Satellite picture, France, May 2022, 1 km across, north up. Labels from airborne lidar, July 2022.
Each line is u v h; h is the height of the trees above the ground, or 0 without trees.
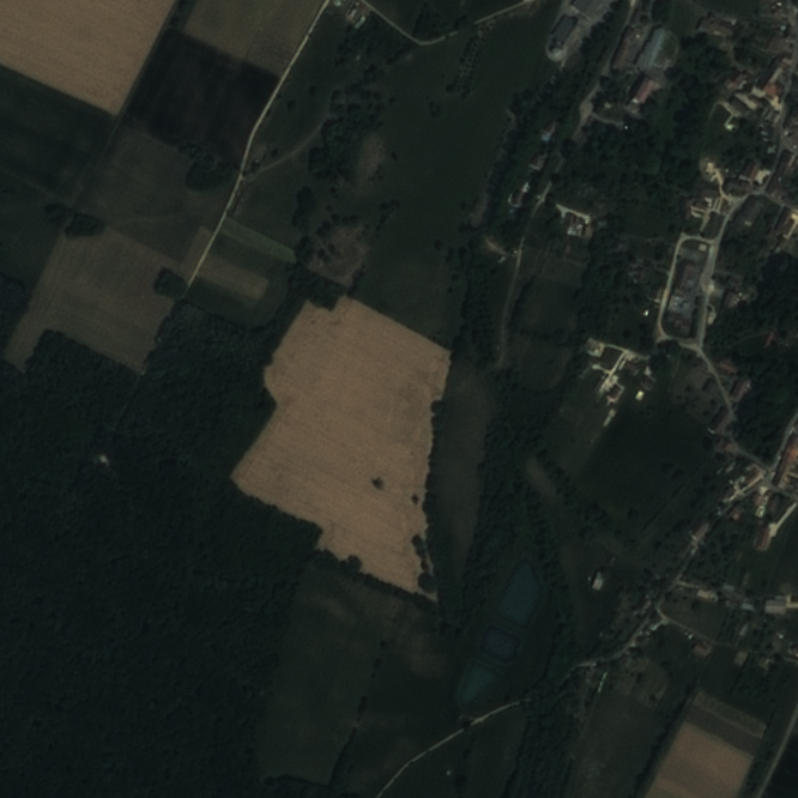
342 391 0
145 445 20
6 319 16
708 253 0
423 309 0
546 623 0
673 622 0
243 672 22
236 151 0
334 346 0
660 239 0
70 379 19
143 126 0
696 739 0
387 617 0
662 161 24
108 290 0
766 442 12
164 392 17
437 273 0
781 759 0
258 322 0
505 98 0
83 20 0
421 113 0
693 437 0
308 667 0
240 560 8
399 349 0
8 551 21
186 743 20
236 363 16
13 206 0
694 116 26
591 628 0
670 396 0
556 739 13
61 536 21
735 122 0
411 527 0
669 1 14
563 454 0
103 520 23
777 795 0
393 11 0
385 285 0
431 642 0
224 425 16
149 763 21
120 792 19
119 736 21
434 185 0
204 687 27
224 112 0
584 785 0
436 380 0
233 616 18
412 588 0
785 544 0
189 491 19
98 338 0
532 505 6
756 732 0
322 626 0
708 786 0
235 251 0
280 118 0
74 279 0
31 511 20
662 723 0
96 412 16
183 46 0
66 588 20
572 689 13
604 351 0
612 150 22
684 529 15
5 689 21
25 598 18
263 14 0
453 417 0
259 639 22
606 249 7
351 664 0
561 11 0
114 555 18
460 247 0
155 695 25
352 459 0
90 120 0
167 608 19
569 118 16
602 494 0
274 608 19
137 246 0
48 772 22
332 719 0
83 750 21
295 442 0
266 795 23
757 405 28
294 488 0
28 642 21
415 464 0
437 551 20
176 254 0
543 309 0
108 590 24
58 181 0
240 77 0
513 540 20
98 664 19
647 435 0
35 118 0
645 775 11
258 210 0
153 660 23
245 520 8
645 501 0
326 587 0
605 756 0
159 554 22
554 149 13
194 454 14
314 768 0
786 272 22
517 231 18
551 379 0
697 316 8
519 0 0
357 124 12
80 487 19
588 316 12
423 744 0
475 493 0
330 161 13
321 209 0
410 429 0
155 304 0
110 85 0
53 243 0
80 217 8
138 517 14
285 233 0
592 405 0
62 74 0
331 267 0
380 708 0
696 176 17
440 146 0
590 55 17
